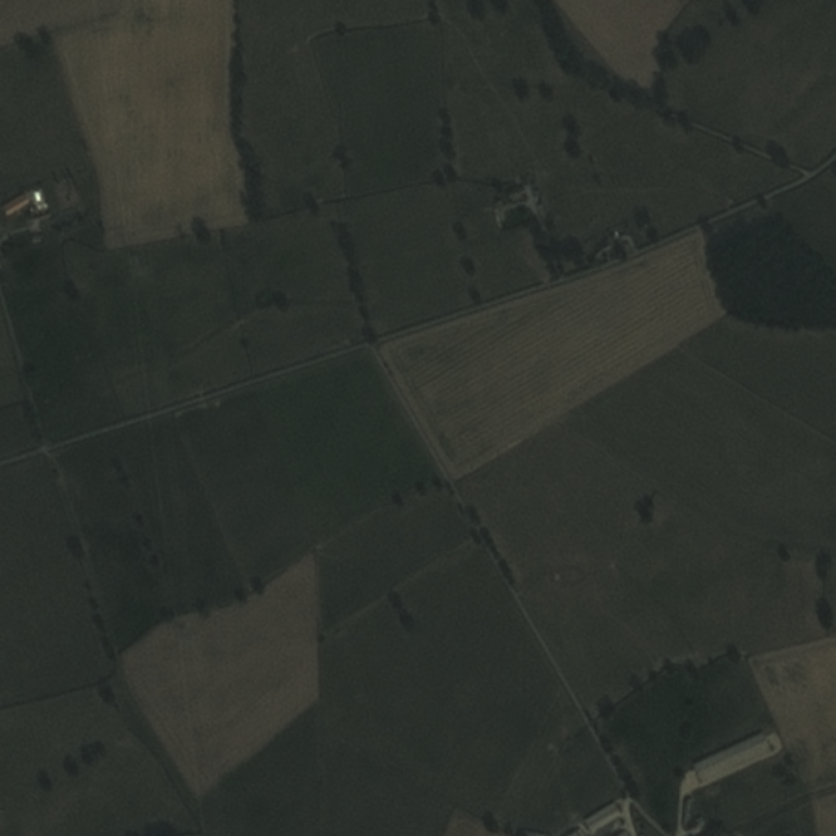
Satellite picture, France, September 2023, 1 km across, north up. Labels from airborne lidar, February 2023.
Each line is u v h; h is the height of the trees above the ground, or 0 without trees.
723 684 0
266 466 0
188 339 0
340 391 0
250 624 0
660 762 0
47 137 0
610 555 0
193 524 0
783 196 0
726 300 15
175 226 0
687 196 0
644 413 0
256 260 0
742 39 0
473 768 0
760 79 0
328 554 0
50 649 0
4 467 0
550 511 0
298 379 0
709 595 0
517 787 0
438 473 0
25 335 0
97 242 0
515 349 0
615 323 0
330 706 0
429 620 0
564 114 0
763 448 0
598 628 0
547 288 0
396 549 0
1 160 0
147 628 0
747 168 0
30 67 0
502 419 0
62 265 0
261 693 0
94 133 0
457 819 0
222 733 0
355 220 0
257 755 0
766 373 0
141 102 0
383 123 0
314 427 0
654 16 0
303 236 0
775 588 0
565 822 0
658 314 0
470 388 0
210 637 0
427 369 0
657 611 0
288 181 0
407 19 0
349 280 13
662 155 0
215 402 0
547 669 0
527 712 0
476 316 0
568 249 16
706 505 0
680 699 0
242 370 0
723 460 0
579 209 0
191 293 0
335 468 0
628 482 0
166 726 0
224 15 0
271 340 0
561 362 0
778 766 0
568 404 0
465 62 0
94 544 0
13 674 0
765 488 0
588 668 0
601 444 0
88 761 13
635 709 0
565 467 0
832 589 0
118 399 0
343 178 0
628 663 0
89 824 0
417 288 0
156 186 0
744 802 0
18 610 0
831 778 0
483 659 0
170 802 0
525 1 0
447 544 0
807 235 0
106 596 0
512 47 0
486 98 0
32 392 0
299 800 0
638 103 16
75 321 0
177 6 0
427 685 0
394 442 0
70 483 0
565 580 0
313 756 0
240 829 0
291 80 0
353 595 0
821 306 17
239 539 0
